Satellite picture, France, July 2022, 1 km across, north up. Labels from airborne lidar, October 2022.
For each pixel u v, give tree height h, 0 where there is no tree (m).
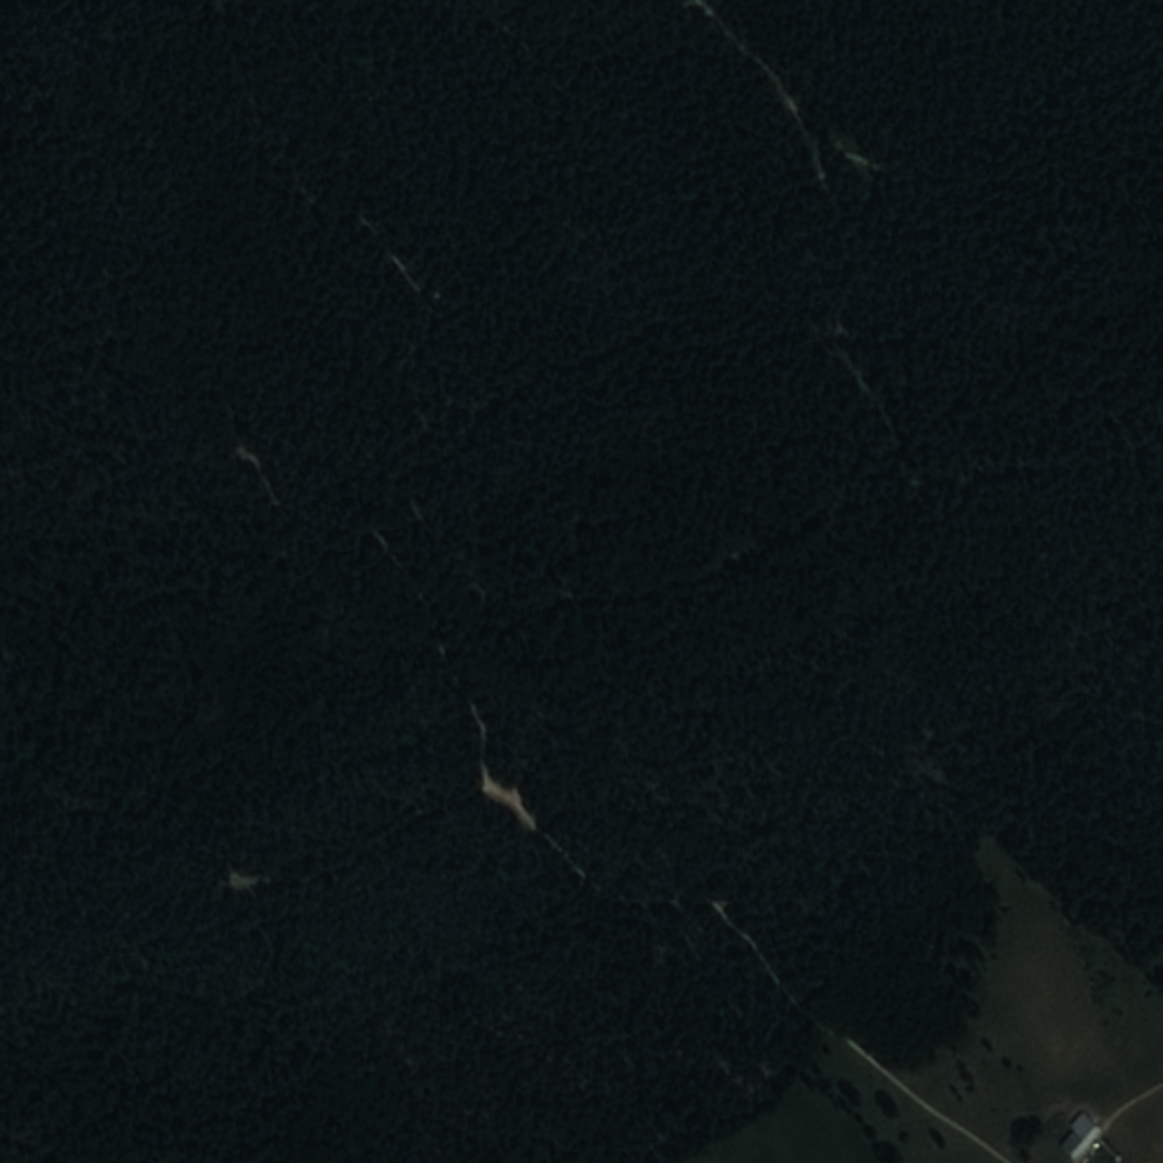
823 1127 0
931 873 20
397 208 19
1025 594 21
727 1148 0
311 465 22
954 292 21
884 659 19
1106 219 28
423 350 17
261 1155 17
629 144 24
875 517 12
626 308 27
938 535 22
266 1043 14
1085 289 21
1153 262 22
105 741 6
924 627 17
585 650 23
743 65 23
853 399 25
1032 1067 0
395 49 18
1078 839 22
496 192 25
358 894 14
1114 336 19
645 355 21
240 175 19
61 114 17
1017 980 0
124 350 12
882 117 23
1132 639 20
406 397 12
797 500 21
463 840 18
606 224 21
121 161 20
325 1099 20
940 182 17
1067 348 22
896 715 21
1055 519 24
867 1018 19
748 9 20
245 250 21
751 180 24
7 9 22
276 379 13
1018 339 22
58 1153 19
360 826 15
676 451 23
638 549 22
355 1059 21
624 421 17
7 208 12
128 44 18
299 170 17
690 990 15
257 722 13
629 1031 21
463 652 24
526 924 24
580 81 24
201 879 19
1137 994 0
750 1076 30
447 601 28
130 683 15
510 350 19
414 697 11
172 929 19
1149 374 22
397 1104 20
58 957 20
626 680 20
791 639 8
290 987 20
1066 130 21
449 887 18
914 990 25
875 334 20
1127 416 16
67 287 12
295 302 20
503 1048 23
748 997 22
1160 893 22
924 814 25
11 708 6
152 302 20
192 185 15
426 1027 24
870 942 25
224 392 22
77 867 23
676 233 26
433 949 20
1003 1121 0
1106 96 20
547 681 17
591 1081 28
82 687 25
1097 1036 0
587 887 19
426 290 14
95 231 17
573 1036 24
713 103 23
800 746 19
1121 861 24
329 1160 23
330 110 20
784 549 19
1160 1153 0
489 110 20
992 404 19
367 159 18
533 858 24
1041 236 9
